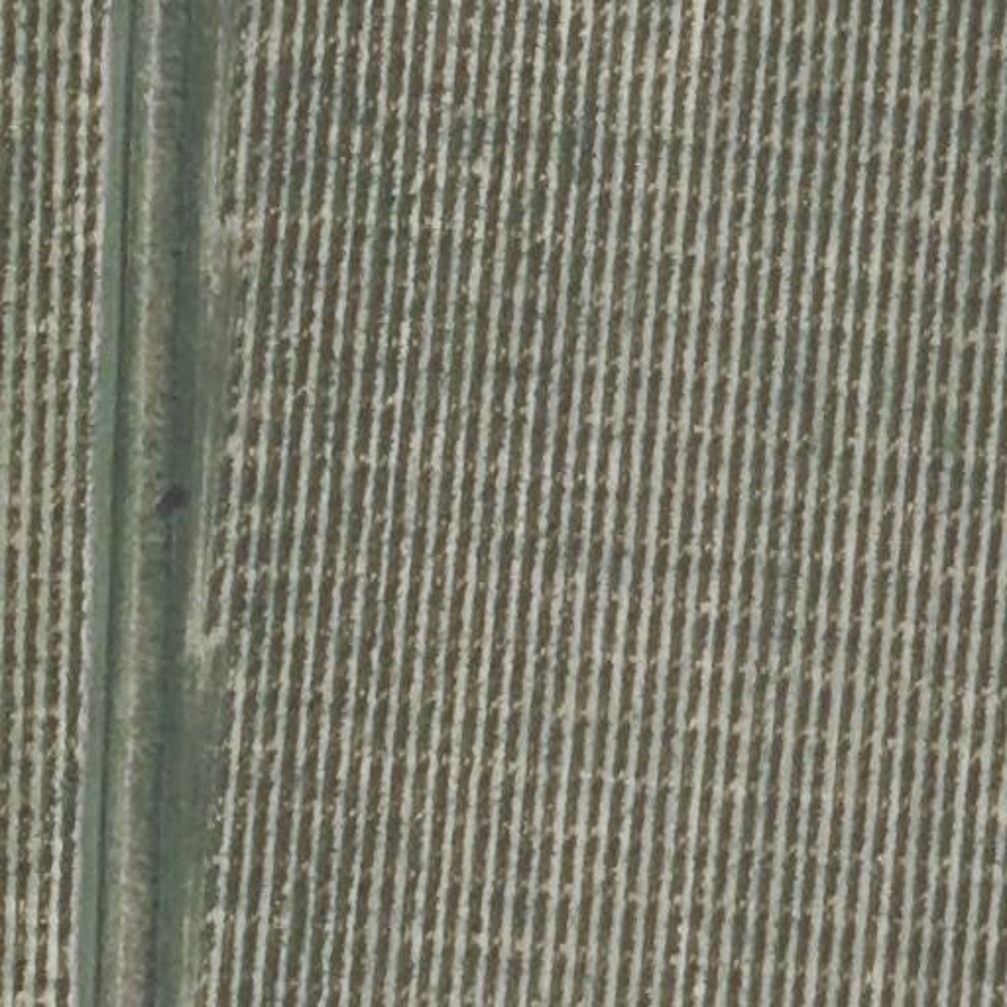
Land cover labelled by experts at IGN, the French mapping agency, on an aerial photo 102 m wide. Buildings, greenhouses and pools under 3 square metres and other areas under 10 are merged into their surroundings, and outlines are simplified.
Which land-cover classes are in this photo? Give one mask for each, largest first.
<instances>
[{"label":"vineyard","instance_id":"1","mask_svg":"<svg viewBox=\"0 0 1007 1007\"><path fill-rule=\"evenodd\" d=\"M146 0H0V1007H110V850L114 763L122 747L118 684L134 417L130 389L138 342L134 244L146 118ZM232 87H240V106L212 98L201 169V283L208 291H220V275L240 271L248 279V295L240 315L244 342L236 433L228 437V460L216 468V523H224V535L212 539V551H193V582L185 610V653L197 669V692H208L212 649L232 653L236 669L228 673L232 732L216 846V909L212 924L201 928V940L212 944L208 976L181 979L177 1007H1007V0H252V20L244 31V75H232Z\"/></svg>","mask_w":1007,"mask_h":1007},{"label":"herbaceous vegetation","instance_id":"2","mask_svg":"<svg viewBox=\"0 0 1007 1007\"><path fill-rule=\"evenodd\" d=\"M252 20V0H146V118L134 244L138 342L130 389L134 417L118 684L122 747L114 763L110 850V1007H177L181 979L208 976L212 944L201 940V928L212 924L216 909V846L232 732L228 673L236 669L232 653L212 649L208 692H197V669L185 653V610L193 582V551H212V539L224 535V523H216V468L228 460V437L236 433L244 342L240 315L248 295V279L240 271L220 275V291H208L201 283V169L212 98L240 106V87H232V75H244V31Z\"/></svg>","mask_w":1007,"mask_h":1007}]
</instances>
